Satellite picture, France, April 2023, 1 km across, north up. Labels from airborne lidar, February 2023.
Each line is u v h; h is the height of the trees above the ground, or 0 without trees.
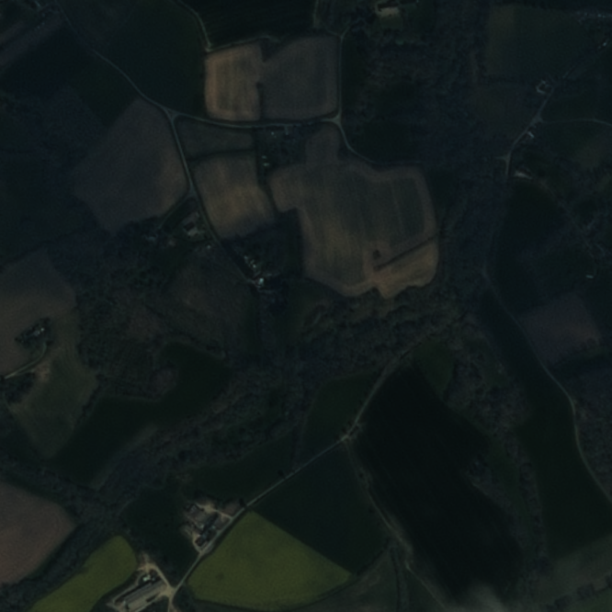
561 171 7
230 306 15
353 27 16
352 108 0
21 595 7
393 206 0
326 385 0
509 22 0
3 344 0
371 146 0
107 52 0
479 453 0
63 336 0
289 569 0
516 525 22
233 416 6
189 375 0
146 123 0
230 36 0
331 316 9
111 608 0
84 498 14
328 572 0
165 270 0
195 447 7
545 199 0
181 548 0
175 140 0
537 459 0
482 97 0
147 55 0
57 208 0
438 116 12
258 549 0
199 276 15
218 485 0
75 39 12
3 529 0
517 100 0
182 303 19
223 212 0
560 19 0
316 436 0
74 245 16
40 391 0
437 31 15
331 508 0
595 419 26
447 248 13
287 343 0
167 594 0
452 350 11
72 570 8
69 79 0
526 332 0
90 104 0
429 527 0
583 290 7
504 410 23
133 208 0
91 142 31
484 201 9
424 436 0
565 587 0
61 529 0
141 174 0
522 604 23
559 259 0
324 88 0
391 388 0
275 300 6
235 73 0
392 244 0
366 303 7
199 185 0
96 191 0
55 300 0
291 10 0
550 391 0
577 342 0
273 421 0
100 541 0
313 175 0
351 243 0
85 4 0
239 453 14
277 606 0
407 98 0
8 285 0
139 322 21
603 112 0
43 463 0
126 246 12
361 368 20
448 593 0
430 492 0
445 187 0
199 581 0
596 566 0
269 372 30
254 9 0
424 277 0
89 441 0
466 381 22
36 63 0
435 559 0
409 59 24
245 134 0
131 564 0
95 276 23
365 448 0
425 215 0
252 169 0
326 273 0
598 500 0
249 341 0
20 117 8
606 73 0
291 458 9
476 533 0
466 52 20
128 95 0
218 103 0
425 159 20
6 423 8
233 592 0
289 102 0
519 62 0
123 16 0
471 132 17
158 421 0
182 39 0
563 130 0
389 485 0
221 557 0
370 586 0
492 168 7
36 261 0
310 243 0
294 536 0
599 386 22
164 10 0
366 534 0
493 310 0
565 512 0
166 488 0
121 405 0
